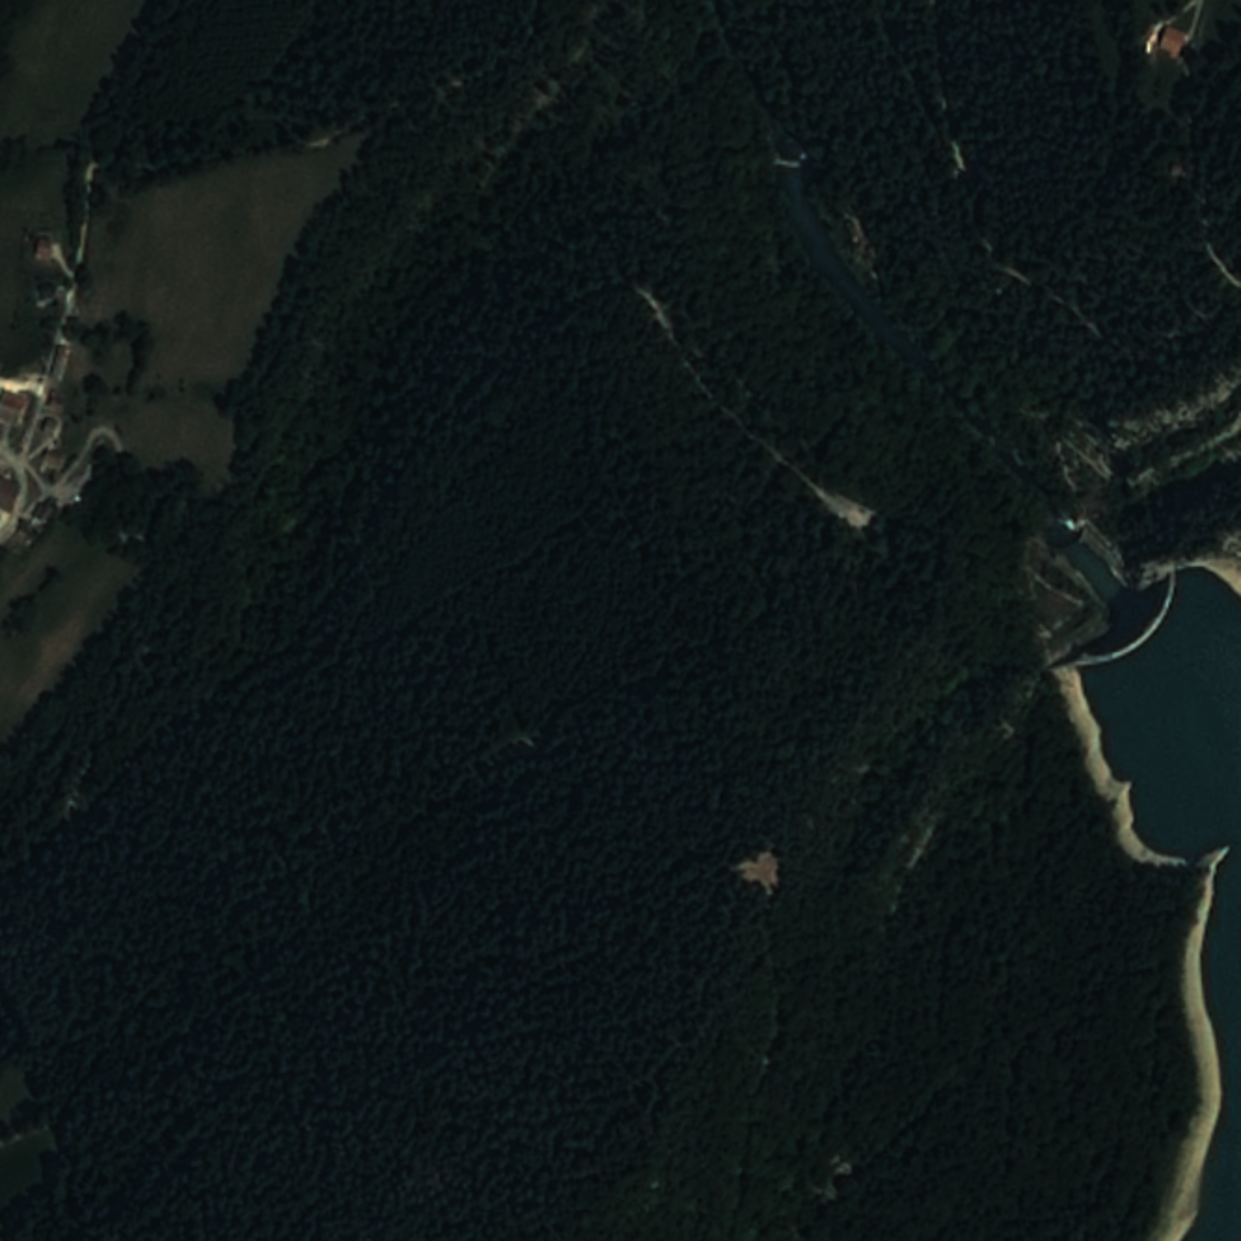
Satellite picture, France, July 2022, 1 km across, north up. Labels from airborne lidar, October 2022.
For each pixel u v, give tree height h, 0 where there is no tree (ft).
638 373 64
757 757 92
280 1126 89
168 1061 107
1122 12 86
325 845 94
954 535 52
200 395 0
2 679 0
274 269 0
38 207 0
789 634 82
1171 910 30
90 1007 112
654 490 86
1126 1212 42
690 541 83
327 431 123
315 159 0
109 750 110
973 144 73
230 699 77
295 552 90
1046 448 25
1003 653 81
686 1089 85
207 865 106
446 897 98
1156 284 27
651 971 90
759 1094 91
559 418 66
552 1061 94
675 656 43
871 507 33
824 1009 79
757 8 108
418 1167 86
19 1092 0
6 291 0
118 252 0
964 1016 90
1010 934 89
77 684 89
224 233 0
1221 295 69
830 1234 91
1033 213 80
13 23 30
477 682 95
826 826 87
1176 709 0
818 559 74
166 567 78
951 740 62
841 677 80
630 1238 96
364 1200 54
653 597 50
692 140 98
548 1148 103
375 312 115
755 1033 79
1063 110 91
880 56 91
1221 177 47
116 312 0
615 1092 49
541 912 110
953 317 92
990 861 114
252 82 50
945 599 73
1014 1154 94
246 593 99
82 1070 64
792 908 76
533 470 63
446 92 59
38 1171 0
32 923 33
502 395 101
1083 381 104
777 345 83
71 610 0
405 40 84
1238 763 0
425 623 45
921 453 84
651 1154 75
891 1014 68
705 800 102
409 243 72
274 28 54
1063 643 0
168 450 0
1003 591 88
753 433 58
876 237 37
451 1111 53
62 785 81
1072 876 95
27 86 0
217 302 0
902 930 106
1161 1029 85
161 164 31
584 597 48
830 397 140
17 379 0
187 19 64
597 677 60
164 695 124
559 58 95
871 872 51
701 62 69
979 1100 74
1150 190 53
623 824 86
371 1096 95
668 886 100
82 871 100
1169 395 37
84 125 24
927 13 86
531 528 64
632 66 90
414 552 56
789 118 119
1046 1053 100
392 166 46
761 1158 75
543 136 94
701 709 72
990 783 52
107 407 0
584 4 108
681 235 68
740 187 102
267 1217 98
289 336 74
